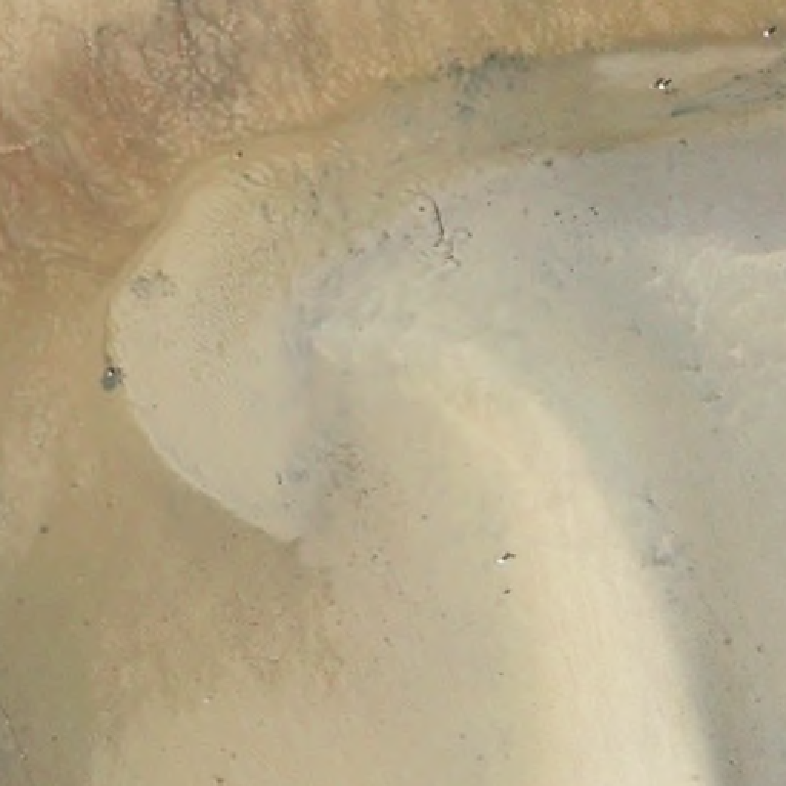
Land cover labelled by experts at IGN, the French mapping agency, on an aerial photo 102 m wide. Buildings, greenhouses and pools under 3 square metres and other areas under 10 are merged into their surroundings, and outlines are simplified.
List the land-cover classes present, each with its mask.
<instances>
[{"label":"bare soil","instance_id":"1","mask_svg":"<svg viewBox=\"0 0 786 786\"><path fill-rule=\"evenodd\" d=\"M0 786H786V0H0Z\"/></svg>","mask_w":786,"mask_h":786}]
</instances>
